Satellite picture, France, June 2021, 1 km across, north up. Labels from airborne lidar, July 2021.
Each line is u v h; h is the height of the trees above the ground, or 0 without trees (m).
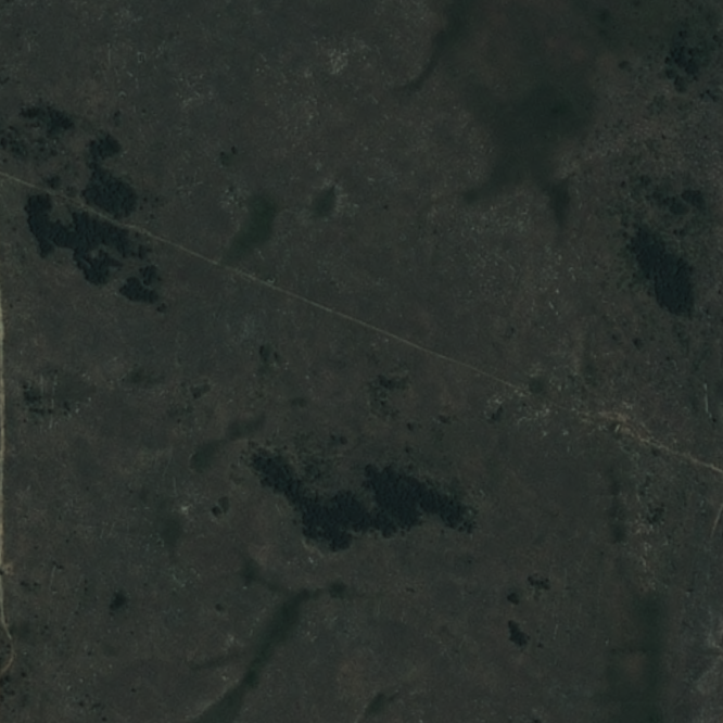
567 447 0
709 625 0
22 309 0
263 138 0
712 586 0
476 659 0
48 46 0
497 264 0
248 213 0
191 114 0
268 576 0
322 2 0
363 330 0
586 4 0
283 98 0
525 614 0
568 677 0
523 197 0
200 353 0
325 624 0
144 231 0
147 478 0
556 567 0
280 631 0
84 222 8
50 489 0
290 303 0
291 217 0
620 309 0
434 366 0
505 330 0
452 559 0
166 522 0
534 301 0
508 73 0
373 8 0
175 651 0
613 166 0
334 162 0
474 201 0
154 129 0
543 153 0
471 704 0
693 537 0
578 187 0
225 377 0
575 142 0
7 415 0
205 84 0
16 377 0
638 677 0
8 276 0
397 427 0
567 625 0
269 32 0
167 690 0
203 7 0
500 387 0
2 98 0
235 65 0
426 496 11
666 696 0
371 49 0
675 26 0
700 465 0
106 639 0
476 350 0
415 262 0
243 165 0
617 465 0
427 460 0
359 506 9
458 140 0
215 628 0
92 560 0
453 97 0
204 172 0
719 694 0
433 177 0
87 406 0
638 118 0
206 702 0
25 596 0
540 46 0
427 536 0
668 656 0
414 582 0
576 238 0
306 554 0
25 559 0
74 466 0
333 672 0
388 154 0
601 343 0
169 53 0
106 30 0
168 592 0
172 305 0
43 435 0
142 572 0
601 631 0
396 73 0
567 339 0
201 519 0
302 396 0
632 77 0
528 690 0
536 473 0
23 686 0
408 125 0
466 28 0
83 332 0
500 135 0
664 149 0
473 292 0
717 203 0
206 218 0
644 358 0
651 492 0
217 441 0
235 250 0
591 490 0
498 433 0
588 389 0
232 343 0
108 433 0
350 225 0
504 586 0
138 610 0
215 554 0
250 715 0
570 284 0
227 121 0
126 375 0
